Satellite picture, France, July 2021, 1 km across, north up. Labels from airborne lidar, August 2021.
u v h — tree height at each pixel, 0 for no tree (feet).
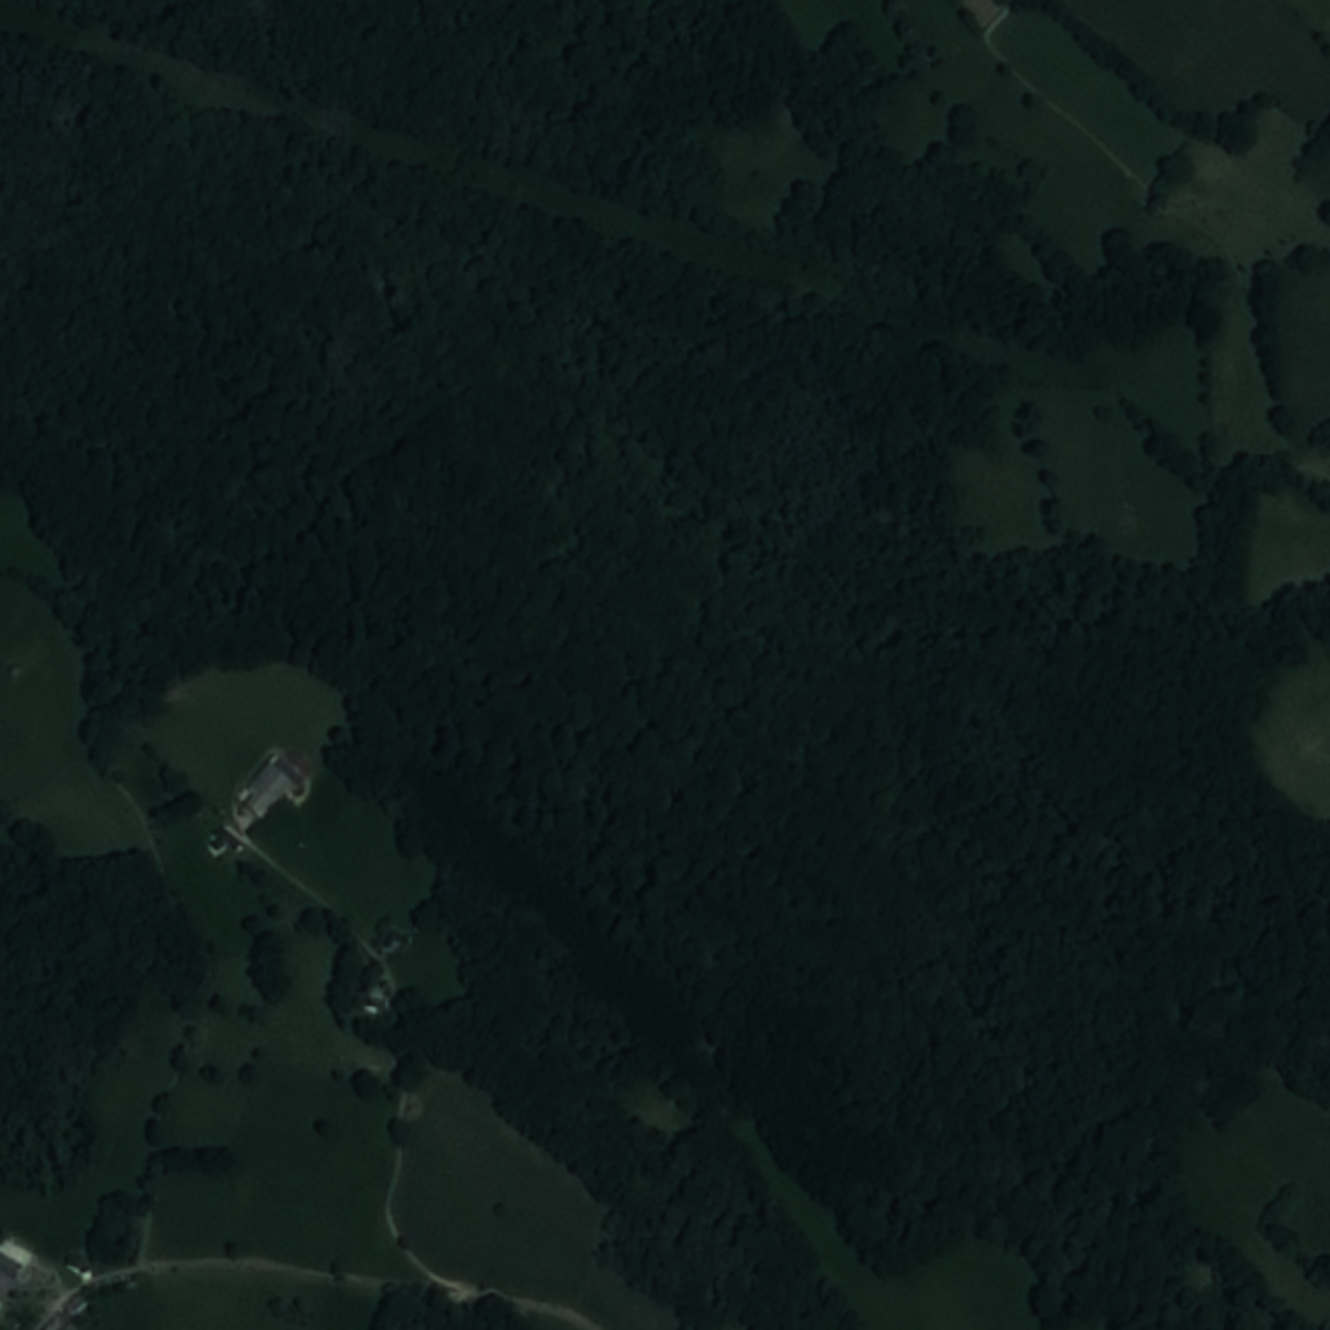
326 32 73
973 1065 120
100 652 72
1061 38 0
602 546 87
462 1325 75
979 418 87
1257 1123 0
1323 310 0
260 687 0
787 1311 93
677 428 92
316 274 92
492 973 67
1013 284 70
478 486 111
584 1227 0
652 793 88
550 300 66
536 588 107
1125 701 76
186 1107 0
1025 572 78
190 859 0
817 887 90
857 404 98
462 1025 67
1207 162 0
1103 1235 107
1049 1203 56
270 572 88
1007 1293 0
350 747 66
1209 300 51
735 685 106
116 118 86
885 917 80
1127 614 105
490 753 85
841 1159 104
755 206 0
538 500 92
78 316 73
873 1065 99
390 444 85
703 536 101
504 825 91
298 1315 54
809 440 77
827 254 34
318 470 103
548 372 92
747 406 84
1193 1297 95
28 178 80
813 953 90
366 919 0
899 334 89
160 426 103
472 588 80
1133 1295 90
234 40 62
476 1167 0
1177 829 100
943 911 106
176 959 91
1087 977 95
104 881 81
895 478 87
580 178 57
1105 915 34
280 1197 0
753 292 57
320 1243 0
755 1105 89
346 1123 0
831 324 79
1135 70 61
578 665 95
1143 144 0
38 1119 52
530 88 96
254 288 89
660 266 81
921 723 94
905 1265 108
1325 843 83
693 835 92
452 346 78
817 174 0
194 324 74
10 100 85
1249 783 93
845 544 81
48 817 0
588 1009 66
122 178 77
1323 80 0
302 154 90
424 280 61
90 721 27
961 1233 94
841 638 83
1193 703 85
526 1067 77
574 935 75
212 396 82
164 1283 0
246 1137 0
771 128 0
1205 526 65
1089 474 0
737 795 71
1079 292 96
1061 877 93
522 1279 0
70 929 73
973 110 36
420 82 87
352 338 66
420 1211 0
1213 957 105
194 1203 0
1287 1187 20
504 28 89
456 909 80
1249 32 0
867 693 80
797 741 93
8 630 0
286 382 94
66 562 64
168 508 95
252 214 93
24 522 0
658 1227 67
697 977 98
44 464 95
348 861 0
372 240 98
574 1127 76
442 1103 0
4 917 84
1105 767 92
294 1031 0
